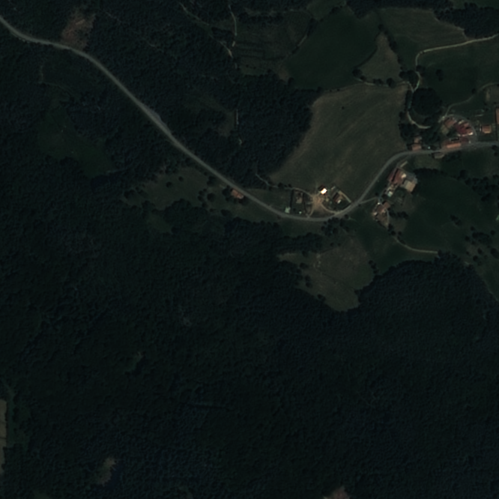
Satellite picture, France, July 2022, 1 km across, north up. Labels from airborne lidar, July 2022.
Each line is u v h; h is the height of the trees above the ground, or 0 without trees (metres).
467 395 15
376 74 0
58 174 24
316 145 0
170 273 11
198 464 30
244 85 15
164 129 0
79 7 16
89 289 24
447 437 20
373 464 22
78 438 22
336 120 0
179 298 14
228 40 17
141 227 15
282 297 15
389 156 0
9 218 23
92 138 21
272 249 18
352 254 0
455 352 18
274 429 31
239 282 17
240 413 16
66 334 37
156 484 33
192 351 15
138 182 12
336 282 0
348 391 19
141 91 15
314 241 17
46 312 16
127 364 33
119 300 24
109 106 19
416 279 15
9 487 9
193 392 23
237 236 15
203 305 9
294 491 32
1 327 27
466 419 21
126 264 17
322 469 30
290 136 16
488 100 0
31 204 11
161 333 14
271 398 29
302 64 0
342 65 0
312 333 28
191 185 0
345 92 0
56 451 27
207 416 24
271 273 16
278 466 26
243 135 12
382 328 19
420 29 0
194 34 24
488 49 0
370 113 0
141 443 27
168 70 13
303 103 17
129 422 24
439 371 17
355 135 0
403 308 11
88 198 18
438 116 14
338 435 26
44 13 16
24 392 19
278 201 0
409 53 0
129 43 15
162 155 16
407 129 16
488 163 0
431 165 0
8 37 13
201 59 12
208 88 16
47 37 13
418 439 18
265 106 8
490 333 16
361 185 0
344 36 0
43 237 21
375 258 0
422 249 0
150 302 13
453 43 0
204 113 10
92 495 25
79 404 30
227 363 7
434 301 16
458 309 23
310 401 18
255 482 33
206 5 19
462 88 0
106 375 27
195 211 14
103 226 9
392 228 16
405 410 22
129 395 27
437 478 23
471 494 27
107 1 19
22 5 12
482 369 17
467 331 25
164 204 0
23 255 21
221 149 16
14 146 22
